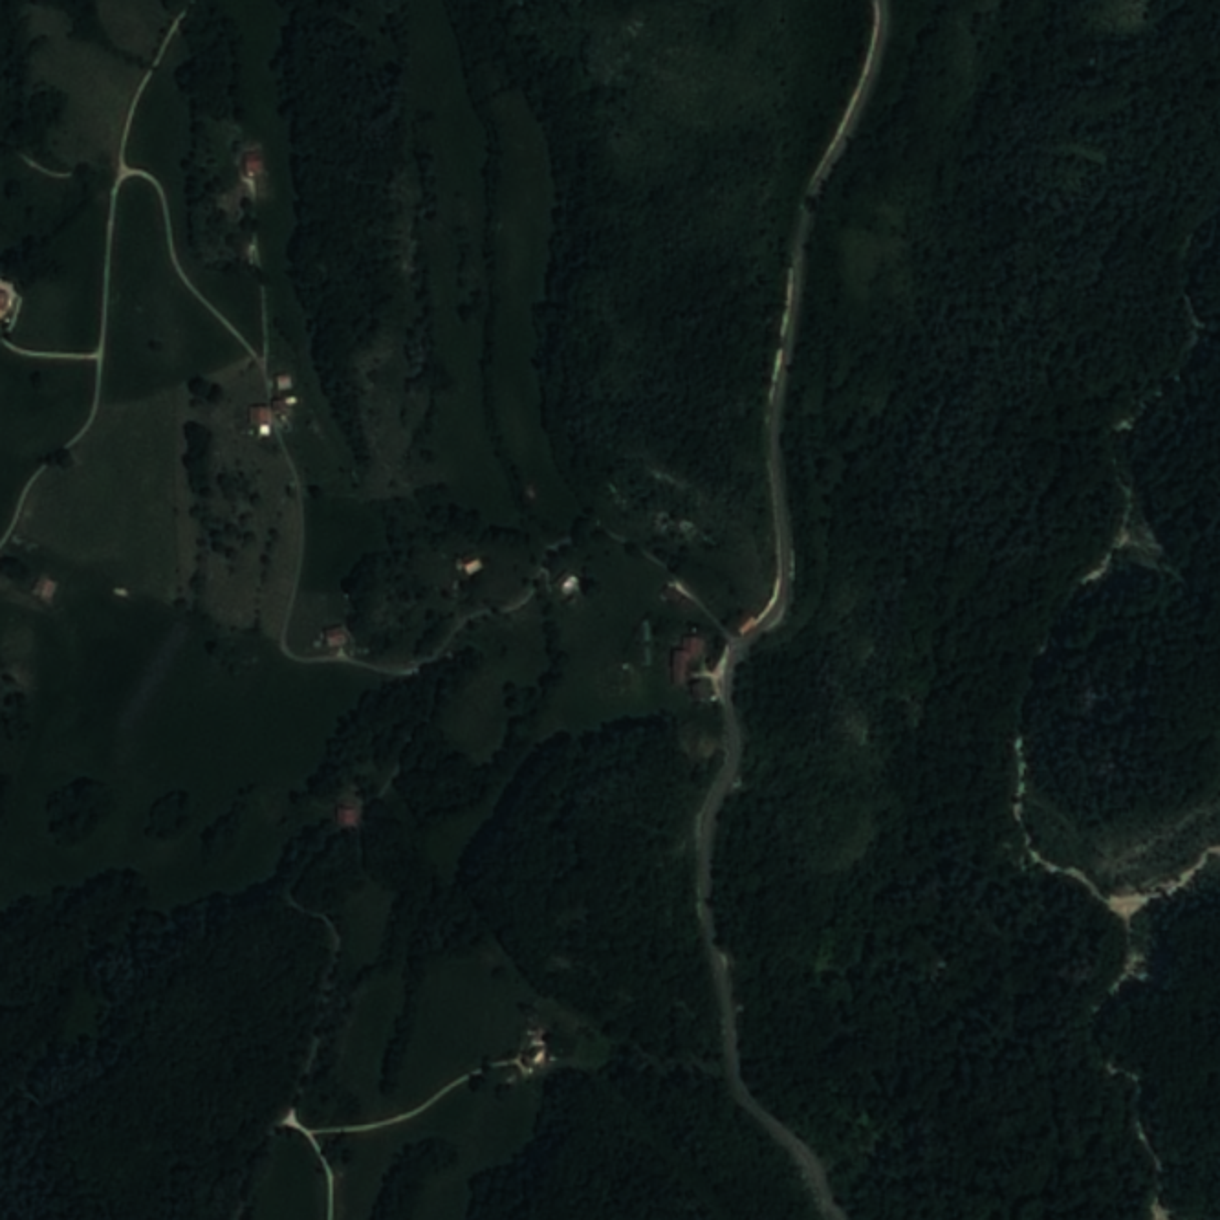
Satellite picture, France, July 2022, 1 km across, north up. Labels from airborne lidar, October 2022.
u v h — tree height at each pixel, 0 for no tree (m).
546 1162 34
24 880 0
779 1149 13
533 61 15
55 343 0
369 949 0
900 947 38
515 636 0
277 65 11
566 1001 17
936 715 22
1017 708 10
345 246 11
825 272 8
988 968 30
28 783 0
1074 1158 25
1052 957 31
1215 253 20
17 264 25
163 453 0
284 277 0
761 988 13
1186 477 32
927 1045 27
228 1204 16
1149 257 31
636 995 10
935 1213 20
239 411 0
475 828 0
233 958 12
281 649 0
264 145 0
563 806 12
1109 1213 24
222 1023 17
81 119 0
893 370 9
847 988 33
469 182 0
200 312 0
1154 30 7
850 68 17
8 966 12
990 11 12
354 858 10
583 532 16
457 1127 0
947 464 25
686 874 14
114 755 0
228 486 12
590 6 14
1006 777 14
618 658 0
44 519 0
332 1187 0
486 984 0
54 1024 18
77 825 16
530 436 0
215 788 0
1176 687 31
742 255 11
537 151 0
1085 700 26
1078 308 27
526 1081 0
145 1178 12
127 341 0
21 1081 24
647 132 6
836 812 16
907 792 21
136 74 0
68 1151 25
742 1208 21
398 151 17
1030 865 9
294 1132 13
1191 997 34
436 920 25
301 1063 8
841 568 10
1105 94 30
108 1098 27
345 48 15
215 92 14
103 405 0
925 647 18
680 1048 17
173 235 0
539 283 0
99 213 0
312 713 0
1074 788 19
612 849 21
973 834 8
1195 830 6
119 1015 12
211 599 0
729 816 15
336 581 0
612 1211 24
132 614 0
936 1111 17
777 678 10
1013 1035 6
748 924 8
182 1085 18
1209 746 22
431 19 0
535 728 9
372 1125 0
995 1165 10
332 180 8
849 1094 23
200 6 7
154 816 7
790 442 17
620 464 6
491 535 16
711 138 10
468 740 0
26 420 0
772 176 22
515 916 22
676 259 10
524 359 0
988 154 24
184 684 0
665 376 11
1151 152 26
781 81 9
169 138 0
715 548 10
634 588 0
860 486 15
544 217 0
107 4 0
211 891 0
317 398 0
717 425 15
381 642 9
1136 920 6
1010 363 23
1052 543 28
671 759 15
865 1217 24
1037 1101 29
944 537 12
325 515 0
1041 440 27
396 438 0
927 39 16
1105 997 7
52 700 0
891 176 21
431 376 17
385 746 12
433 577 0
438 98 0
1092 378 30
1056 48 17
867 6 19
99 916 20
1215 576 28
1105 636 8
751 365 13
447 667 13
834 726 14
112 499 0
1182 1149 17
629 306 13
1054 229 14
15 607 0
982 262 16
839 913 21
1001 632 34
